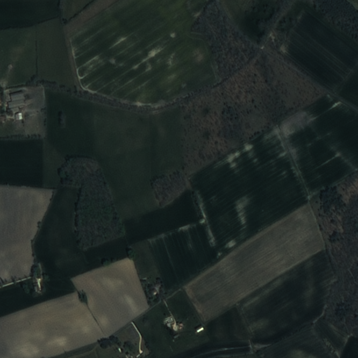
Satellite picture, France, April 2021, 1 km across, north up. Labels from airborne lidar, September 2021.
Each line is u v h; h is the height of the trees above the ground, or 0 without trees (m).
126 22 0
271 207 0
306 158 0
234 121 9
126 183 0
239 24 0
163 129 0
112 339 12
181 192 15
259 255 0
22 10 0
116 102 14
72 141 0
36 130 0
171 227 0
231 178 0
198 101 12
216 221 0
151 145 0
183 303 0
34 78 8
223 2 0
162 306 0
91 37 0
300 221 0
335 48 0
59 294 0
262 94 8
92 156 0
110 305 0
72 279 0
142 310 0
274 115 7
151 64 0
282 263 0
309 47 0
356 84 0
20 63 0
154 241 0
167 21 0
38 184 0
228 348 0
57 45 0
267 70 11
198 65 0
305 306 0
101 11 0
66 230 0
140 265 0
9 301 0
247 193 0
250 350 0
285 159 0
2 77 0
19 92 0
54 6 0
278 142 0
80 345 0
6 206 0
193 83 0
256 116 0
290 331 0
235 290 0
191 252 0
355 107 0
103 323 0
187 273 0
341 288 15
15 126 0
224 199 0
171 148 0
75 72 0
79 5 0
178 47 0
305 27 0
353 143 0
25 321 0
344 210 9
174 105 10
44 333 0
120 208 0
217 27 13
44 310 0
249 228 0
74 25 0
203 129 11
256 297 0
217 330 0
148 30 0
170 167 0
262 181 0
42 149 0
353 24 13
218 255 0
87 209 19
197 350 0
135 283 0
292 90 0
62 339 0
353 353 0
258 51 12
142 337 6
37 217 0
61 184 0
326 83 0
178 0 0
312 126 0
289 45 0
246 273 0
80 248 8
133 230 0
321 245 0
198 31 19
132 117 0
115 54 0
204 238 0
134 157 0
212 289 0
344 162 0
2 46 0
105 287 0
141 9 0
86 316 0
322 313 0
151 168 0
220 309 0
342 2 15
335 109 0
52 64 0
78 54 0
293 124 0
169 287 0
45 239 0
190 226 0
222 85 11
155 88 0
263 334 0
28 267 0
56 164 0
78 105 0
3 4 0
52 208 0
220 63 11
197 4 0
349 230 9
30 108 0
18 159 0
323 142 0
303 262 0
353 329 12
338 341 0
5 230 0
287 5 18
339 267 13
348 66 0
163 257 0
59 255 0
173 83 0
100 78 0
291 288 0
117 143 0
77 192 0
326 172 0
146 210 0
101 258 0
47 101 0
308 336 0
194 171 0
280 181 0
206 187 0
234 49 10
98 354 0
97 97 12
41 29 0
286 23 11
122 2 0
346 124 0
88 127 0
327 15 16
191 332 0
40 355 0
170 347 0
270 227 0
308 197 0
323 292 0
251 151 0
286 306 0
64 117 18
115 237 17
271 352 0
